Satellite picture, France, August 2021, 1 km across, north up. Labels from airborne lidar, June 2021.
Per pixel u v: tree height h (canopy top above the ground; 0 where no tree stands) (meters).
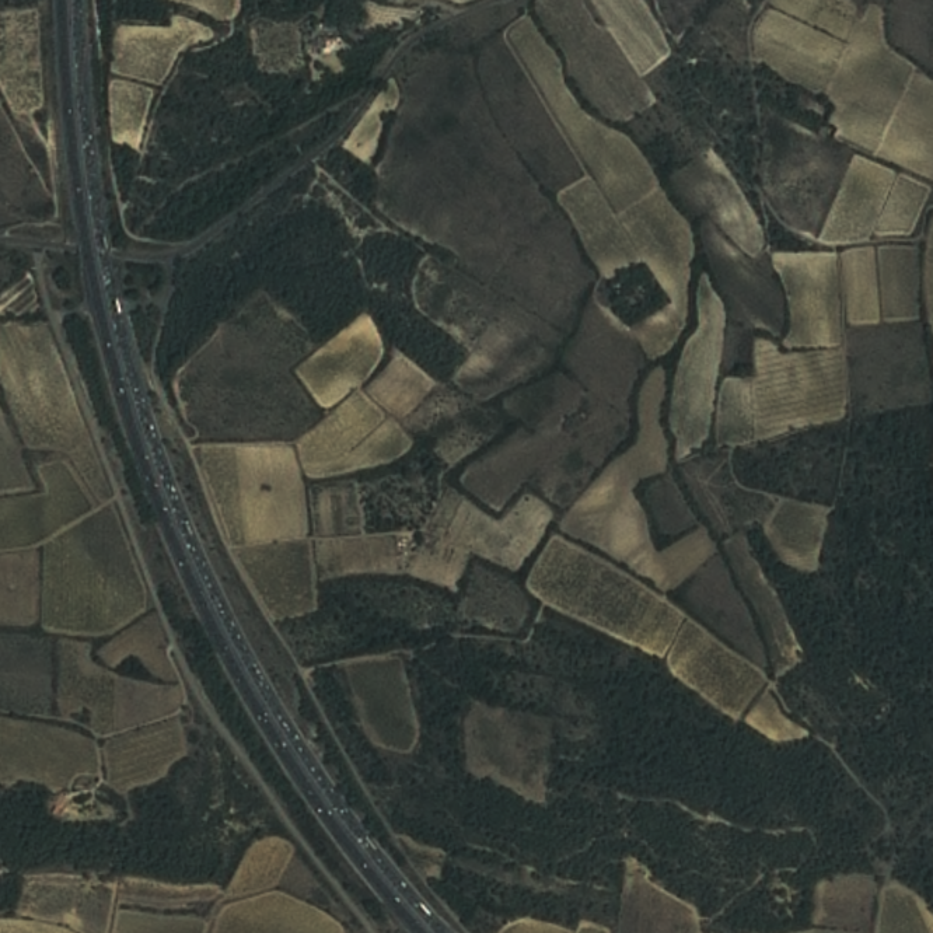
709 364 0
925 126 0
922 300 7
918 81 0
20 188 0
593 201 0
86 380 6
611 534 0
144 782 0
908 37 0
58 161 0
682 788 7
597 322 0
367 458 0
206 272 5
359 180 9
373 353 0
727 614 0
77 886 0
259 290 11
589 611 0
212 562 0
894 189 0
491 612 0
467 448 0
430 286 0
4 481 0
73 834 11
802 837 5
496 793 10
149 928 0
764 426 0
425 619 0
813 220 0
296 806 11
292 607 0
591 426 0
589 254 0
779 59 0
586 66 0
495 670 7
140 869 10
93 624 0
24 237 0
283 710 0
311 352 0
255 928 0
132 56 0
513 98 0
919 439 8
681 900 8
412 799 7
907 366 0
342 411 0
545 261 0
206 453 0
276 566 0
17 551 0
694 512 7
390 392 0
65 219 0
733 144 7
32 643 0
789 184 0
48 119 0
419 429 0
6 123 0
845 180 0
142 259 0
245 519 0
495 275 0
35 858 10
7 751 0
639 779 7
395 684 0
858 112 0
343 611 7
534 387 0
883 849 10
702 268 6
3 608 0
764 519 0
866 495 8
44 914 0
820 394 0
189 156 7
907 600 10
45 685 0
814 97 8
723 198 0
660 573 0
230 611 0
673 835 8
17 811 10
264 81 13
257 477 0
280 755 0
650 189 0
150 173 7
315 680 9
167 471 0
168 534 0
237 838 6
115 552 0
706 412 0
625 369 0
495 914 6
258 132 9
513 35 0
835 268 0
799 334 0
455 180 0
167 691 0
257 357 0
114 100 0
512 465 0
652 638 0
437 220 0
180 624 7
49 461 0
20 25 0
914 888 8
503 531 0
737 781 10
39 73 0
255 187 6
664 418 6
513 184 0
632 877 0
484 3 0
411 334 11
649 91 0
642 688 9
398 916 0
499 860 6
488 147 0
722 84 5
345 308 12
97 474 0
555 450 0
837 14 0
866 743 10
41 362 0
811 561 0
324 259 7
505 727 0
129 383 0
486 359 0
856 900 0
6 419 0
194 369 0
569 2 0
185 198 8
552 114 0
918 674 10
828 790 8
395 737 0
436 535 0
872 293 0
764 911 6
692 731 8
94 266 0
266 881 0
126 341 0
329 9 11
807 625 7
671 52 0
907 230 0
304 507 0
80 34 0
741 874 6
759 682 0
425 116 0
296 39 0
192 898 0
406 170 0
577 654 7
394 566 0
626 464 0
